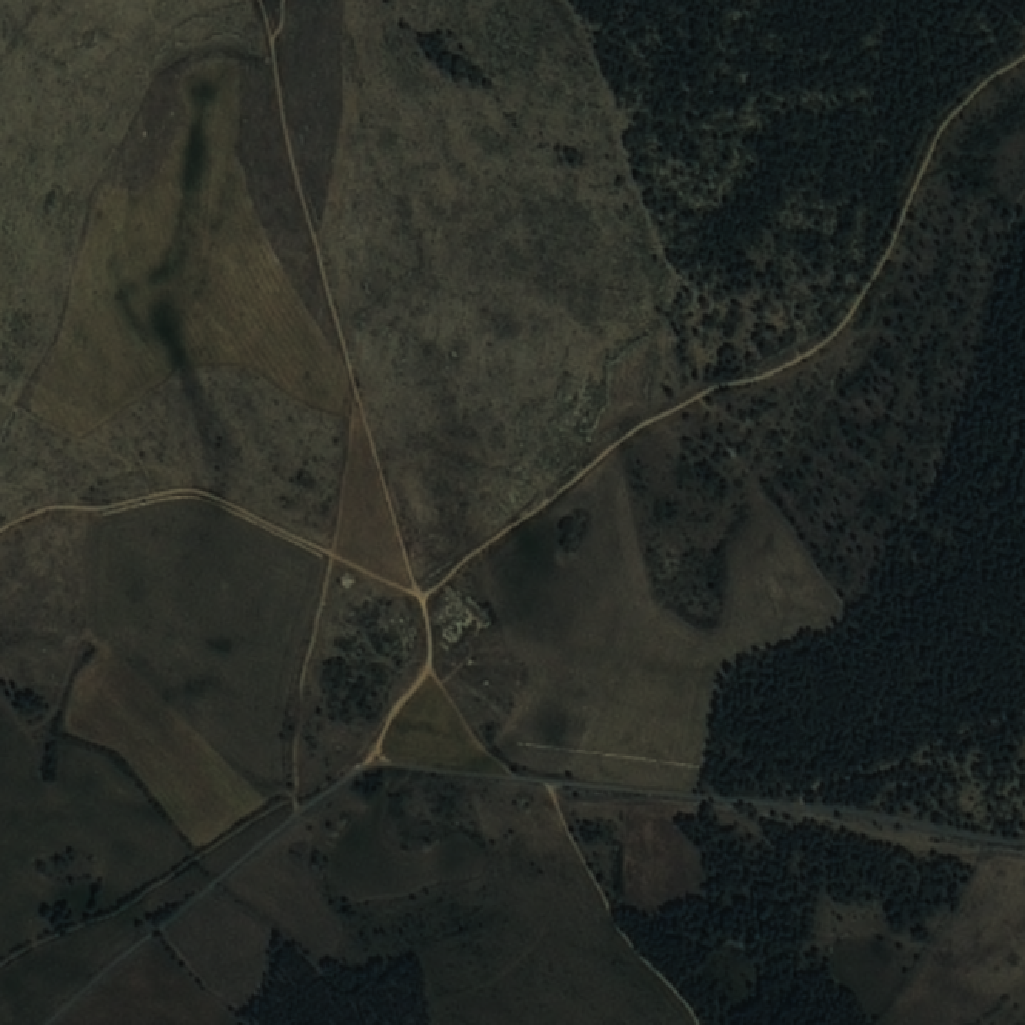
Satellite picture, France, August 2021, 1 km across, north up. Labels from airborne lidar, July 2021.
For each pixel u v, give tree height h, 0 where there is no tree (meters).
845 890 9
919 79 13
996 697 8
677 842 0
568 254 0
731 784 9
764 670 12
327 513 0
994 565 11
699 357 0
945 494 14
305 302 0
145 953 0
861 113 9
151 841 0
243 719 0
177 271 0
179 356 0
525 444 0
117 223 0
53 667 0
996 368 12
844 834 8
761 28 6
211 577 0
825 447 8
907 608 7
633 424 0
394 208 0
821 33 8
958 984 0
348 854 0
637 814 0
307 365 0
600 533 0
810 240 10
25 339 0
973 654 8
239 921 0
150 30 0
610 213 0
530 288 0
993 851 0
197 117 0
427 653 0
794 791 8
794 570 0
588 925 0
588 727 0
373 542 0
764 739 13
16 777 0
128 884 0
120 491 0
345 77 0
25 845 0
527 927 0
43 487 0
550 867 0
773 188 10
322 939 0
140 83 0
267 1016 12
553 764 0
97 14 0
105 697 0
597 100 0
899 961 0
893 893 8
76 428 0
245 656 0
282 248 0
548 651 0
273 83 0
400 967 12
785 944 13
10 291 0
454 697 0
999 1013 0
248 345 0
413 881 0
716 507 0
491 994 0
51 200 0
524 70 0
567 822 0
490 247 0
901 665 10
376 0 0
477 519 0
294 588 0
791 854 8
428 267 0
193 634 0
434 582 0
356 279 0
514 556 0
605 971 0
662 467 0
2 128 0
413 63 0
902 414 0
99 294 0
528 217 0
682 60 9
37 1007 0
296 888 0
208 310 0
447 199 0
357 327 0
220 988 0
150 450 0
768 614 0
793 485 6
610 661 0
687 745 0
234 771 0
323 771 0
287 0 0
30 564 0
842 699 11
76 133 0
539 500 0
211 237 0
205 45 0
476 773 0
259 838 0
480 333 0
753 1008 13
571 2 6
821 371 0
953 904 8
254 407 0
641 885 0
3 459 0
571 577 0
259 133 0
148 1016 0
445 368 0
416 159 0
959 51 10
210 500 0
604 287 0
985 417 14
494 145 0
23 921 0
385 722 0
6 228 0
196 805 0
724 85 7
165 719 0
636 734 0
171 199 0
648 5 8
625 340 0
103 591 0
